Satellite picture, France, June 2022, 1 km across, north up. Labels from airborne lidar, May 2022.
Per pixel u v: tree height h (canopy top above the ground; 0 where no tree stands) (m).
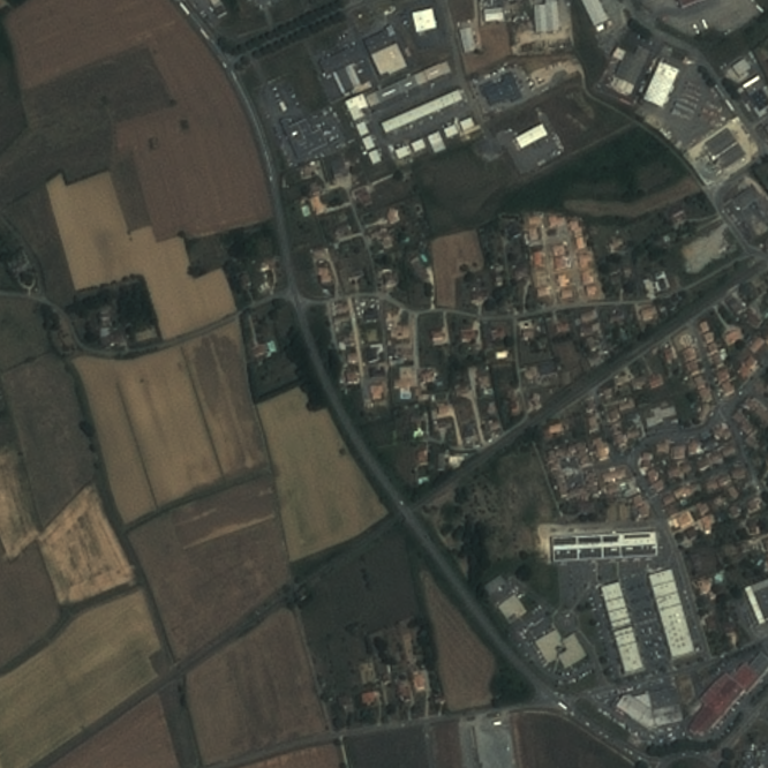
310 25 9
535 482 0
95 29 0
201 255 0
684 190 0
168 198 0
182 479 0
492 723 0
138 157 0
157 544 0
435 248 0
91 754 0
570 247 0
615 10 0
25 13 0
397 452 0
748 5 0
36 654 0
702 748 11
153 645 0
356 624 7
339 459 0
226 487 0
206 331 0
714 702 0
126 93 0
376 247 7
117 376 0
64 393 0
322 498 0
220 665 0
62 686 0
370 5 0
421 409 6
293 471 0
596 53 0
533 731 0
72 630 0
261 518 0
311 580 0
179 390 0
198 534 0
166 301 0
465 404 0
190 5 0
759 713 0
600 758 0
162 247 0
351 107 0
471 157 0
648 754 10
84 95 0
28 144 0
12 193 0
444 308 0
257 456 0
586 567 0
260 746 0
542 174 0
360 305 0
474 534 12
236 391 0
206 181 0
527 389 0
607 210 0
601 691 0
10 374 0
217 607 0
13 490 0
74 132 0
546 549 0
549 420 6
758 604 0
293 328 9
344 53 0
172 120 0
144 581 0
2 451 0
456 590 0
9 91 0
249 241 7
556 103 0
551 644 0
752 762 0
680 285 0
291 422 0
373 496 0
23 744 0
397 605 0
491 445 0
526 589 0
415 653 6
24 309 0
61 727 0
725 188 0
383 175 0
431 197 0
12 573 0
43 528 0
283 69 0
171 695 0
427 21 0
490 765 0
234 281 19
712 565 0
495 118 0
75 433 0
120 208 0
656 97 0
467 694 0
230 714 0
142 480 0
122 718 0
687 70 0
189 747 0
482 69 0
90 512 0
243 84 0
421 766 0
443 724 0
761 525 9
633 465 0
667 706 0
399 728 0
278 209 0
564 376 0
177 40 0
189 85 0
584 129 0
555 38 0
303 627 0
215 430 0
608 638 0
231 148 0
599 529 0
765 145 0
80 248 0
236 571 0
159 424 0
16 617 0
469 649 0
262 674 0
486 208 0
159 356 0
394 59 0
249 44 10
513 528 0
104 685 0
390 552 0
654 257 10
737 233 0
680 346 0
